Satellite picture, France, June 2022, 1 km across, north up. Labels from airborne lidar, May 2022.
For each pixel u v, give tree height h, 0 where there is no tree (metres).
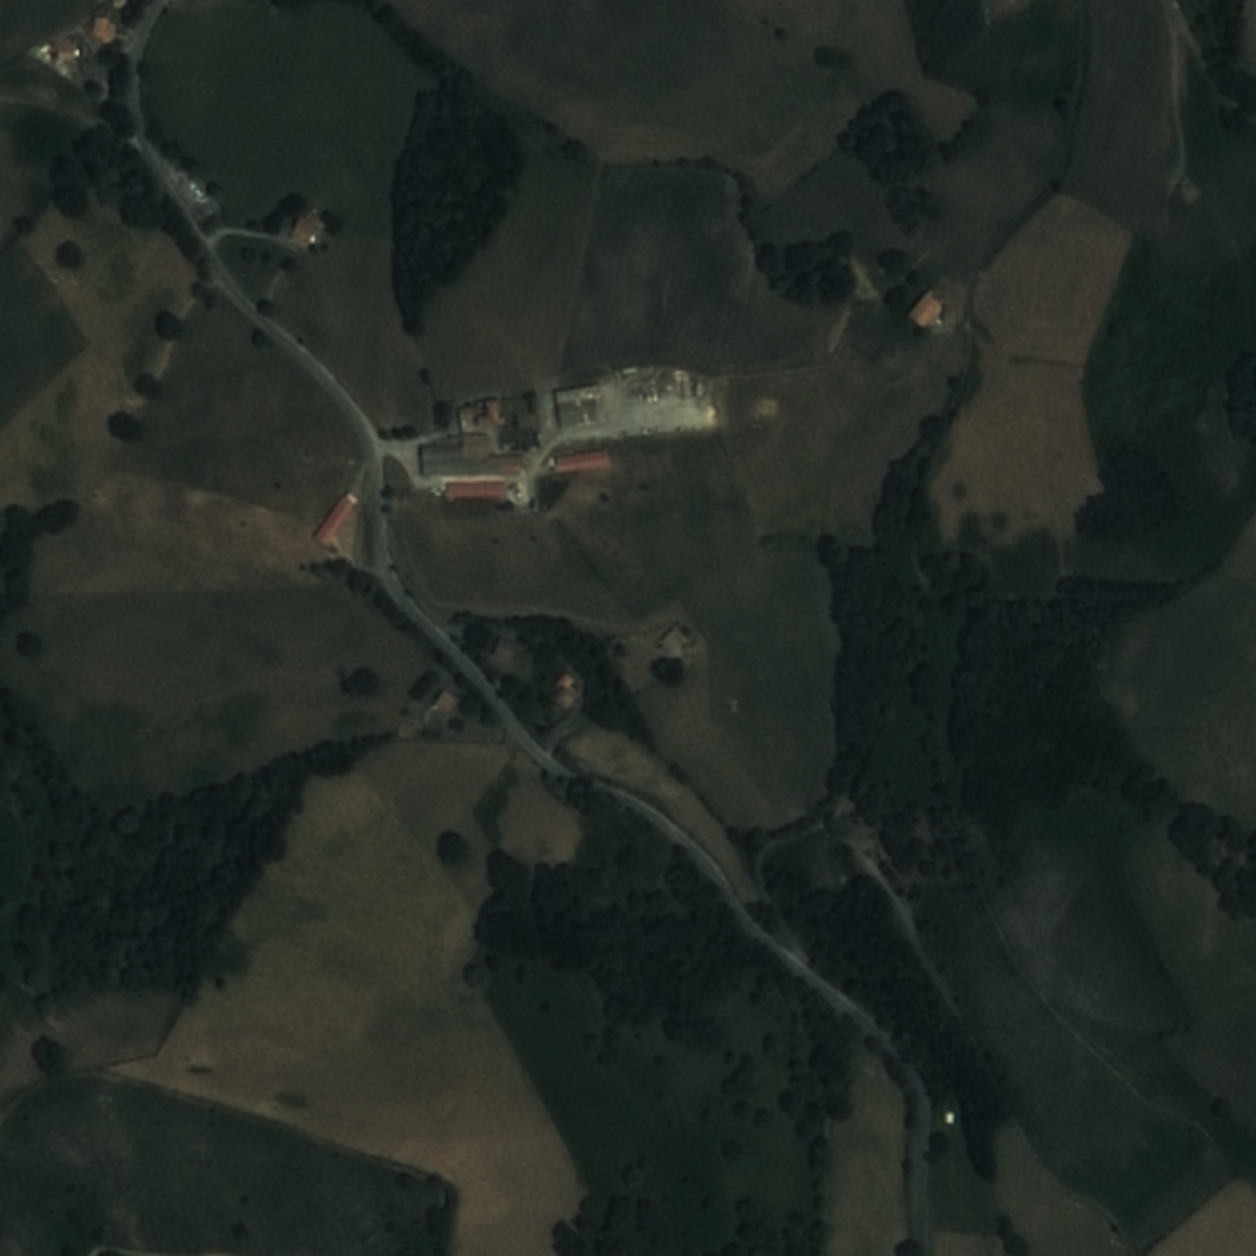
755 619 0
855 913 17
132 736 0
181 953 14
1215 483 0
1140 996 0
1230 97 12
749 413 0
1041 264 0
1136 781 9
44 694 0
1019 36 0
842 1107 22
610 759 0
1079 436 0
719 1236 0
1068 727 12
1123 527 15
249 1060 0
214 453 0
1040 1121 0
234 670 0
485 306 0
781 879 19
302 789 8
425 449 0
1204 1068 0
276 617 0
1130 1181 0
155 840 11
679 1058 0
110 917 13
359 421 0
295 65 0
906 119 20
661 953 21
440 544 0
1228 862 8
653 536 0
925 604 10
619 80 0
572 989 0
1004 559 0
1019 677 15
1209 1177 0
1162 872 0
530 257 0
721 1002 0
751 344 0
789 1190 0
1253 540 0
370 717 0
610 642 6
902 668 17
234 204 0
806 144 0
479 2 0
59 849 15
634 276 0
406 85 0
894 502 18
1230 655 0
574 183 0
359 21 0
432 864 0
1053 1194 0
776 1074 0
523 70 0
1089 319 0
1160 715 0
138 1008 0
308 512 0
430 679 9
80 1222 10
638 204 0
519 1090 0
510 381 0
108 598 0
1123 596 26
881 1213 0
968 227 0
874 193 0
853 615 22
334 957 0
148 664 0
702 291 0
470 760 0
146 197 18
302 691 0
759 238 8
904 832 18
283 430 0
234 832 14
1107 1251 0
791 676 0
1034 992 0
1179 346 0
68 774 12
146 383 15
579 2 0
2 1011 0
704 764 0
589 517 0
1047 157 0
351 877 0
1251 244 0
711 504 0
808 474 0
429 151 16
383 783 0
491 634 14
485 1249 0
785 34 9
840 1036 17
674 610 0
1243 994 0
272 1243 0
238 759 0
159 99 0
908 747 0
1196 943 0
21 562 17
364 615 0
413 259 25
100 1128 0
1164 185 0
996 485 0
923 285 8
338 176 0
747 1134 0
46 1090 0
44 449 0
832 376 0
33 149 0
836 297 12
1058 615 16
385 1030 0
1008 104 0
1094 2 0
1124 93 0
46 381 0
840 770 10
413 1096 0
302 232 0
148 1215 0
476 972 12
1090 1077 0
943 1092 15
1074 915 0
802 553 0
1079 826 0
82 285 0
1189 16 0
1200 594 0
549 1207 0
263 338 12
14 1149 0
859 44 0
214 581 0
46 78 0
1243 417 18
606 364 0
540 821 0
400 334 0
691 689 0
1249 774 0
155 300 0
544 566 0
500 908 18
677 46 0
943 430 14
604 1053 13
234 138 0
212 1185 0
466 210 23
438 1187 11
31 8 0
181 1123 0
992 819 14
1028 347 0
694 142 0
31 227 17
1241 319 0
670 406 0
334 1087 0
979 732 16
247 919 0
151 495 0
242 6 0
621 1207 17
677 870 12
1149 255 0
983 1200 0
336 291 0
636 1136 0
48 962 0
